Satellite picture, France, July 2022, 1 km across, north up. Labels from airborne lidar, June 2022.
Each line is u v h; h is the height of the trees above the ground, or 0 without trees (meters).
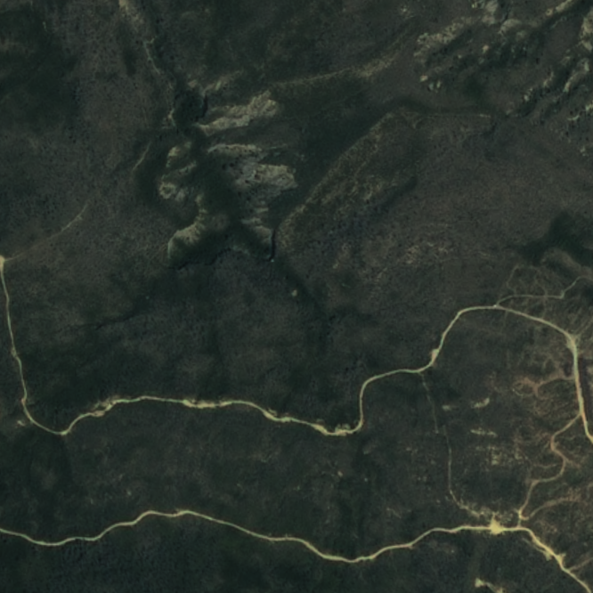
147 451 0
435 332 0
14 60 0
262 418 0
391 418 0
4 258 0
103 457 0
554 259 0
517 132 0
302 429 0
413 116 0
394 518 0
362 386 0
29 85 0
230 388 0
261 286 10
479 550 0
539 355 0
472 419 0
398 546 0
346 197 0
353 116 0
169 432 0
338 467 0
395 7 0
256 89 0
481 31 0
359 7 0
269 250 13
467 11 0
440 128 0
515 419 0
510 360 0
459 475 0
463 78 0
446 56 11
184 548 14
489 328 0
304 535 0
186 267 10
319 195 0
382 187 0
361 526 0
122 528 0
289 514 0
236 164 10
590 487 0
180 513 0
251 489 0
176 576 13
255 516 0
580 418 0
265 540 0
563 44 0
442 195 0
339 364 0
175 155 0
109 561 12
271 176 0
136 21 0
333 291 0
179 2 0
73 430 0
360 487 0
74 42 0
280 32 0
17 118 0
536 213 0
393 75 0
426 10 0
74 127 8
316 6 0
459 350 0
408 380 0
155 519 0
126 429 0
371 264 0
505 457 0
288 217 0
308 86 0
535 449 0
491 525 0
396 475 0
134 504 0
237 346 0
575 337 0
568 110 0
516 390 0
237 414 0
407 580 0
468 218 0
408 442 0
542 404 0
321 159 0
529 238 0
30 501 0
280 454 0
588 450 0
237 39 0
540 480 0
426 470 0
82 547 15
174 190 0
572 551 0
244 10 0
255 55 0
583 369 5
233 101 0
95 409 0
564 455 0
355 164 0
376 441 0
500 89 0
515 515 0
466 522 0
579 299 0
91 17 0
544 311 0
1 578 10
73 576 12
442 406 0
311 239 0
